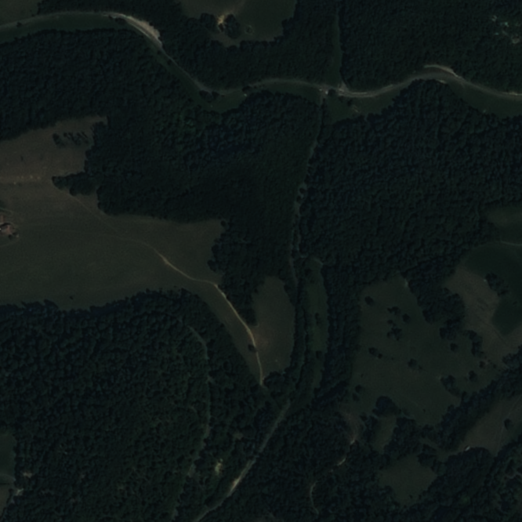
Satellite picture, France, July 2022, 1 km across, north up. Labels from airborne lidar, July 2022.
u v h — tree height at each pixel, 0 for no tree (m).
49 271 0
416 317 0
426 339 0
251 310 15
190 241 0
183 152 34
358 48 22
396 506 23
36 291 0
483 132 11
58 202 0
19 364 26
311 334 27
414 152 23
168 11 16
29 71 21
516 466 28
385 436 0
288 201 22
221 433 31
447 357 0
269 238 29
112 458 15
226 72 21
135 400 21
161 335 29
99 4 23
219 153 31
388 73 30
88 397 28
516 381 18
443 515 31
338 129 24
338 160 22
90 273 0
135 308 8
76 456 23
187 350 28
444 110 31
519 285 0
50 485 21
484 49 17
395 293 0
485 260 0
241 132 30
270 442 8
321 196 25
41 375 28
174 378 25
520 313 0
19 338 37
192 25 20
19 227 0
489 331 0
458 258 13
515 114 0
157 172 21
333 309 20
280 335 0
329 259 27
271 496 20
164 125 11
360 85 17
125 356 34
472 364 0
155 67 23
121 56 20
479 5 8
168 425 25
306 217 11
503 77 23
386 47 22
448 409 0
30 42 21
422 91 22
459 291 0
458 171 32
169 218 20
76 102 26
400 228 27
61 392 30
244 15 0
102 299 0
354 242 27
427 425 0
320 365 0
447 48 20
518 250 0
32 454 27
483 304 0
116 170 20
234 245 28
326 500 9
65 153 0
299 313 14
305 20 30
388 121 23
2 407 32
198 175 29
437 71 0
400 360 0
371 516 15
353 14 27
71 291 0
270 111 24
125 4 27
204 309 21
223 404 8
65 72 31
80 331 36
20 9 0
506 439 0
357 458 11
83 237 0
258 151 28
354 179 22
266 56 26
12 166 0
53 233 0
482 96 0
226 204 23
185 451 31
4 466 0
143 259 0
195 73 23
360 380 0
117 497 22
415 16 21
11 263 0
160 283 0
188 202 21
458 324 17
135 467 7
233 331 0
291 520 25
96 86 27
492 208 22
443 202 23
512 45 13
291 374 27
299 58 20
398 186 24
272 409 26
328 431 12
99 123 0
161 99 34
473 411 30
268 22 0
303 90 0
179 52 13
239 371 24
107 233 0
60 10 17
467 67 8
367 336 0
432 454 18
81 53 19
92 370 35
